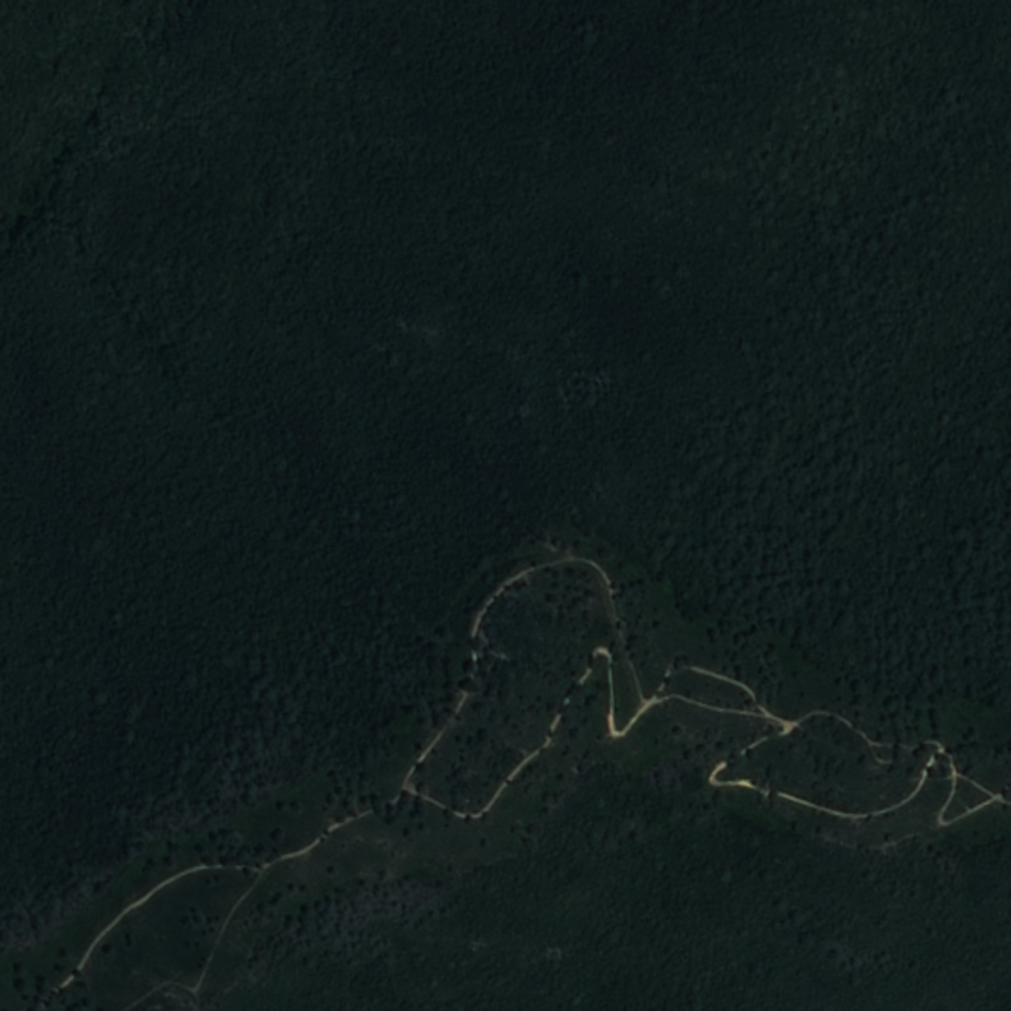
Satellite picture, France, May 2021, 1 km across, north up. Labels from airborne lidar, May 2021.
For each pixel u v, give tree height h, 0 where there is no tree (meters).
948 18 11
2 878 8
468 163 10
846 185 9
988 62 13
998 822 9
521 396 8
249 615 9
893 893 11
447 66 10
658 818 12
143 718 11
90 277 9
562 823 7
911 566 18
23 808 11
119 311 8
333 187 9
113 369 9
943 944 8
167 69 6
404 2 10
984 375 13
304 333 11
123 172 13
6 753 8
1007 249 11
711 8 10
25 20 12
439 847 0
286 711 17
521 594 9
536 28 13
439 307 7
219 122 12
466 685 15
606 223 6
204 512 10
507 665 11
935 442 9
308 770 8
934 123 16
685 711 0
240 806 13
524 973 8
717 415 10
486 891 15
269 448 10
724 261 9
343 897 18
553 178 9
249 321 6
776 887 7
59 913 18
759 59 9
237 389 12
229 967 0
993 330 12
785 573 17
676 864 7
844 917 7
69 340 10
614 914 6
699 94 8
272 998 7
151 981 0
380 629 12
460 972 10
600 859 11
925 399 13
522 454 10
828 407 15
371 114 9
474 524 11
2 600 9
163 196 13
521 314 6
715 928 10
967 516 8
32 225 19
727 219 9
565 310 9
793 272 9
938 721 20
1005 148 11
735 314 9
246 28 11
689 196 8
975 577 17
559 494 7
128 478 10
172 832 14
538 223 7
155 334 17
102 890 18
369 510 10
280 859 14
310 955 6
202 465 9
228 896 0
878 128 19
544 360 9
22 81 11
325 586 11
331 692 12
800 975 10
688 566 10
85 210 13
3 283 8
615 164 9
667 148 6
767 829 6
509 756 7
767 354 10
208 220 11
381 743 9
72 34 10
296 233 10
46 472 8
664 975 9
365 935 17
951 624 19
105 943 0
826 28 7
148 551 12
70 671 8
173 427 8
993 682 8
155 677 7
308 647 10
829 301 12
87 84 11
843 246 18
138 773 11
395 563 10
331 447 8
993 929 7
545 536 9
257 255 9
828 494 19
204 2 11
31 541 10
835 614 11
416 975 7
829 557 18
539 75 10
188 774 11
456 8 12
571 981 7
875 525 13
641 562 7
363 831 0
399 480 10
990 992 5
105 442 10
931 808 0
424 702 17
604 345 10
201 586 7
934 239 9
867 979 7
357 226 11
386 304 7
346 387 10
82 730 12
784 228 10
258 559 10
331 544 12
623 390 10
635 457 7
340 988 7
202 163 10
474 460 11
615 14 12
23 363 9
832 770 9
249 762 16
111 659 10
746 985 11
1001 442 8
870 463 18
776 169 9
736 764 20
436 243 9
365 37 10
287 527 9
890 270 18
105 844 10
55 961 0
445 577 9
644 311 10
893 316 10
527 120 10
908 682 8
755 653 20
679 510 8
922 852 8
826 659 7
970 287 15
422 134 10
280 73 8
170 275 9
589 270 11
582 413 9
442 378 6
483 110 12
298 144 11
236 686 9
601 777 8
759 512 11
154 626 6
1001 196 8
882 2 9
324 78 9
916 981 6
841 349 11
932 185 9
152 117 12
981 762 16
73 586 8
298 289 11
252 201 10
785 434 10
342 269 6
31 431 7
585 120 12
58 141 14
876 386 12
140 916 0
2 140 9
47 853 16
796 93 6
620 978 12
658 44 9
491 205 10
